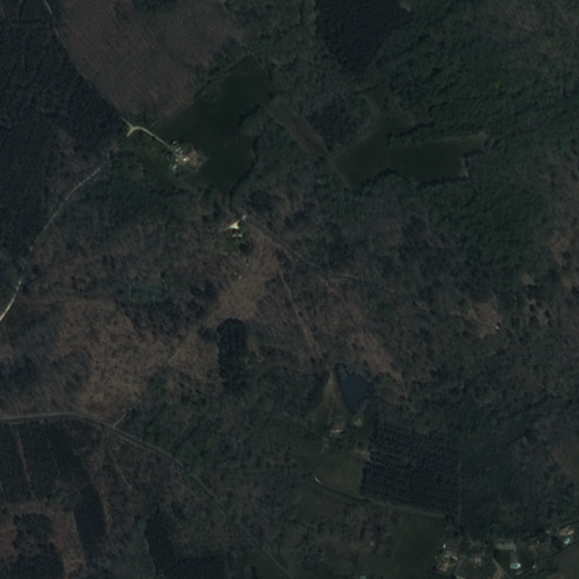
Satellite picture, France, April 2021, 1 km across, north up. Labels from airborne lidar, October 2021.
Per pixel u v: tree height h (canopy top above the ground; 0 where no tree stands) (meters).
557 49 22
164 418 21
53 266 10
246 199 18
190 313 17
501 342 16
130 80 26
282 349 14
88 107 22
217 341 9
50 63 16
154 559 15
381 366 0
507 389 11
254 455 20
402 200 21
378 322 13
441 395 11
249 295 0
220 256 12
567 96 19
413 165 0
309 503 0
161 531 13
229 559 12
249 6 15
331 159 0
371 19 13
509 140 18
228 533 9
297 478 10
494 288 15
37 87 20
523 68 25
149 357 0
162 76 27
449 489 18
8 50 20
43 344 17
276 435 15
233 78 0
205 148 0
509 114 19
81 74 18
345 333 11
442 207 19
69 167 8
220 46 22
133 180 21
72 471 9
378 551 10
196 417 10
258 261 0
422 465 17
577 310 15
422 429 21
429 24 19
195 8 22
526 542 10
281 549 18
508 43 17
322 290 8
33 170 17
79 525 8
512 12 23
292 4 16
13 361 20
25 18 11
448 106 20
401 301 17
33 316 7
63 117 13
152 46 23
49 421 5
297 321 17
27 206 18
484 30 24
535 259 20
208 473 10
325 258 17
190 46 25
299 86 15
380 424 22
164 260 14
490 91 22
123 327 0
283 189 22
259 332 16
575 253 13
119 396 0
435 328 15
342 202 20
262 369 17
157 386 19
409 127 0
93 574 15
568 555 0
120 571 15
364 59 11
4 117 18
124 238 20
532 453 10
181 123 0
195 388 20
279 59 16
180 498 8
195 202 17
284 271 15
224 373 16
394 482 20
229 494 7
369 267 16
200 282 10
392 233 13
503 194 22
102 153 20
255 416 21
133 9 20
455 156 0
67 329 0
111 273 9
